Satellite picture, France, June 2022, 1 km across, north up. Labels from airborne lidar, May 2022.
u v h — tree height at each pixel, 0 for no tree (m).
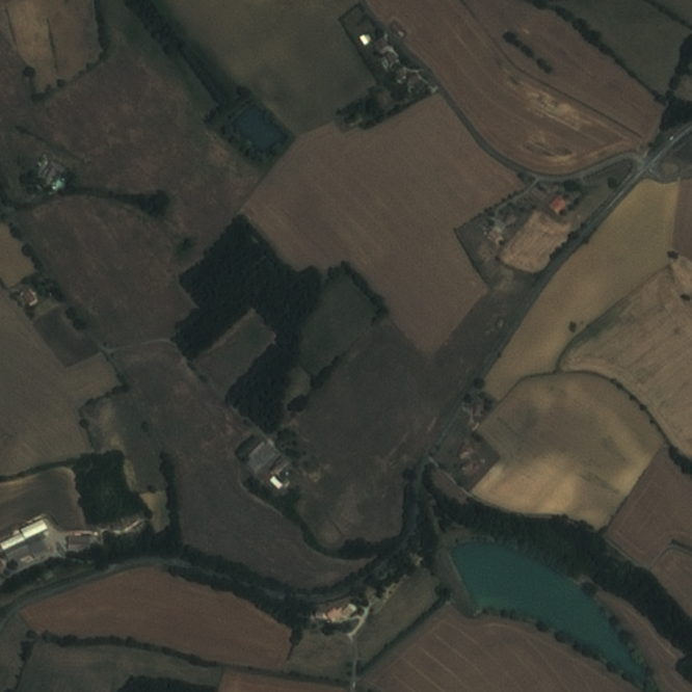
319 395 0
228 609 0
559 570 26
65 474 0
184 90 0
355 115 11
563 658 0
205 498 0
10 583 12
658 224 0
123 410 0
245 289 17
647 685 15
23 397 0
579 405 0
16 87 0
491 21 0
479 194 0
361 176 0
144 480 0
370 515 0
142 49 0
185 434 0
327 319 0
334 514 0
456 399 0
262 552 0
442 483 0
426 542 15
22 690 0
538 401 0
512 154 0
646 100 0
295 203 0
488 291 0
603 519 0
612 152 0
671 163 0
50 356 0
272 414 17
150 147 0
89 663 0
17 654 0
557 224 0
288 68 0
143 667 0
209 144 0
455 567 0
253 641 0
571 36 0
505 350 0
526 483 0
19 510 0
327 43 0
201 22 0
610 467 0
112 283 0
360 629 0
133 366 0
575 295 0
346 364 0
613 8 0
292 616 20
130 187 0
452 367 0
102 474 9
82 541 0
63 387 0
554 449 0
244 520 0
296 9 0
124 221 0
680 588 0
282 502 6
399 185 0
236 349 0
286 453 8
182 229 0
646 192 0
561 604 0
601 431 0
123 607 0
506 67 0
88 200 0
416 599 0
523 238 0
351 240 0
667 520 0
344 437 0
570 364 0
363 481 0
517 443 0
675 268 0
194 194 0
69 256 0
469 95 0
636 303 0
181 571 15
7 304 0
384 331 0
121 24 0
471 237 0
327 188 0
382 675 0
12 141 0
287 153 0
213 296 17
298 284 14
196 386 0
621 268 0
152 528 12
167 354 0
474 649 0
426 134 0
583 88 0
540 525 10
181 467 0
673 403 0
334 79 0
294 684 0
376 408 0
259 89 0
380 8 0
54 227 0
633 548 0
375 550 14
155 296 0
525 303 0
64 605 0
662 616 14
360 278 15
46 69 0
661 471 0
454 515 19
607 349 0
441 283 0
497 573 0
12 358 0
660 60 0
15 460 0
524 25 0
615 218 0
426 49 0
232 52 0
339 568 0
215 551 0
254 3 0
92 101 0
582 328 0
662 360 0
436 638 0
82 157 0
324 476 0
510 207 6
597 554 9
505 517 9
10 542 0
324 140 0
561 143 0
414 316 0
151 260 0
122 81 0
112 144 0
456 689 0
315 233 0
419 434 0
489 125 0
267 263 11
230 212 0
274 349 17
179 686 20
